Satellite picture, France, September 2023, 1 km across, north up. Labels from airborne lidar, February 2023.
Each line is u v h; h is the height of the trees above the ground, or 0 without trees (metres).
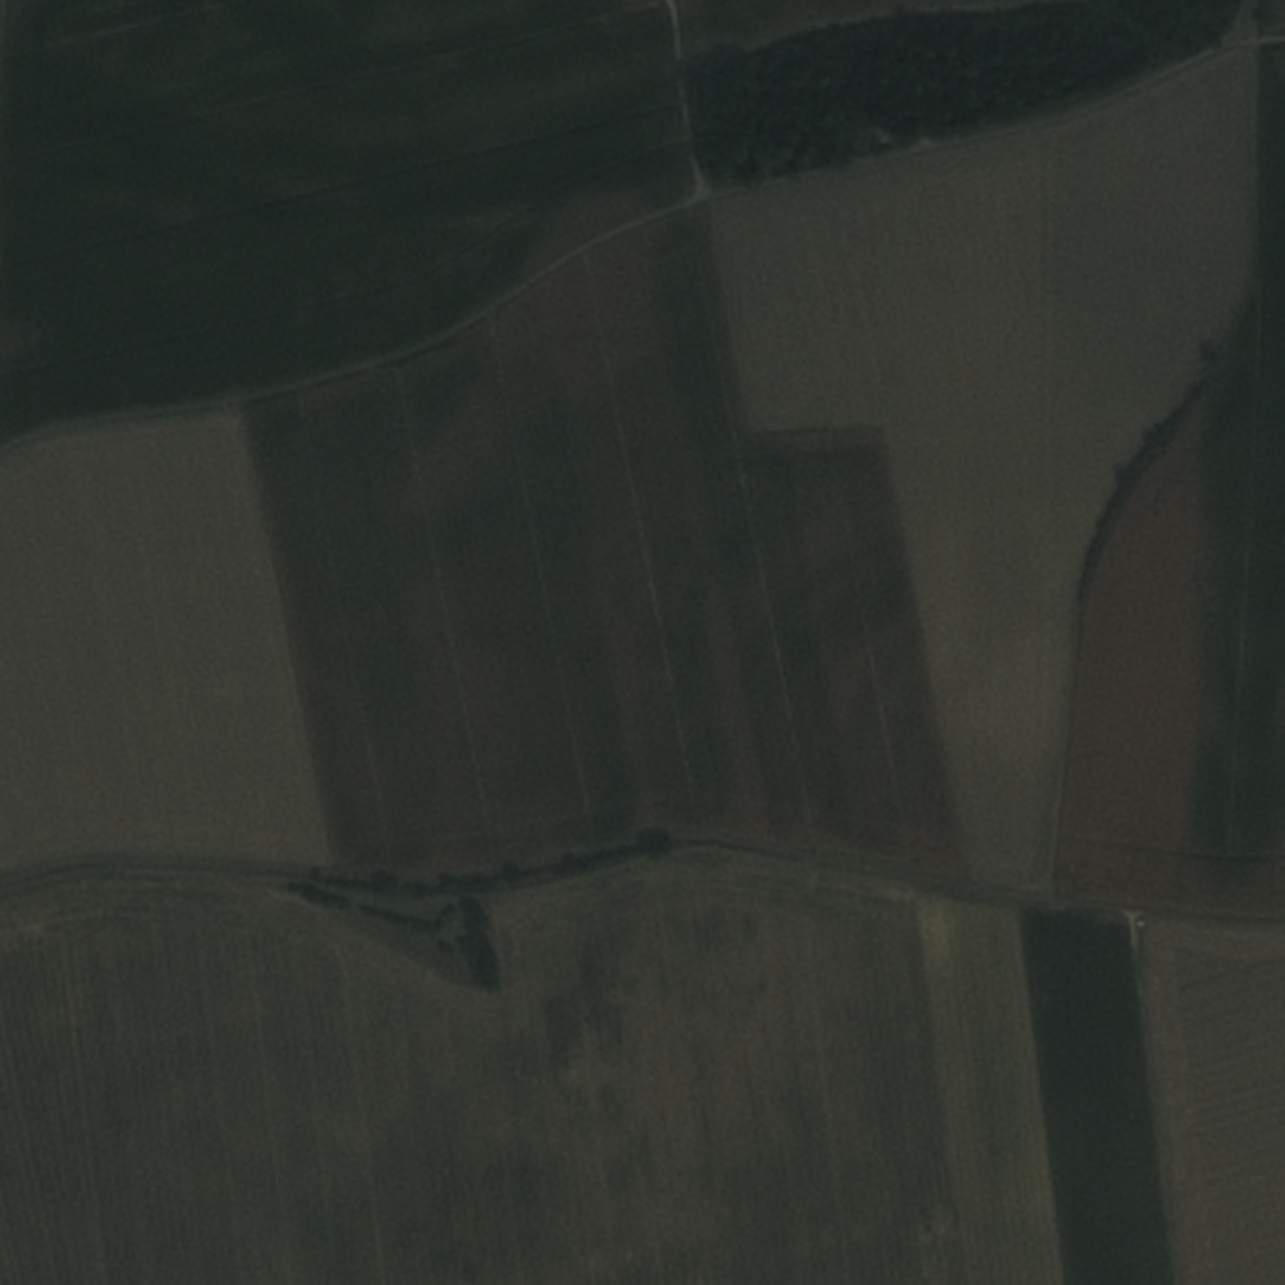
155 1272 0
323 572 0
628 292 0
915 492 0
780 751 0
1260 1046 0
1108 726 0
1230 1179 0
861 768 0
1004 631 0
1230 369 0
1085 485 0
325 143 0
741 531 0
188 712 0
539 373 0
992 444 0
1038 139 0
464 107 0
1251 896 0
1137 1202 0
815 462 0
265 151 0
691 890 0
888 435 0
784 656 0
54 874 0
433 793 0
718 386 0
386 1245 0
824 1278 0
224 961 0
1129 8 8
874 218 0
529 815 0
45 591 0
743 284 0
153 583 0
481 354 0
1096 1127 0
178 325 0
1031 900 0
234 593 0
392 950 0
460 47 0
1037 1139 0
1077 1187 0
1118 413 0
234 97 0
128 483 0
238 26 0
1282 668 0
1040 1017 0
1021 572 0
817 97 12
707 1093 0
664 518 0
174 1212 0
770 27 0
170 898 0
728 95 23
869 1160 0
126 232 0
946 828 0
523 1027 0
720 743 0
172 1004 0
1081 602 0
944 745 0
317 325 0
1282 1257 0
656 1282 0
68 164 0
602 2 0
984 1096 0
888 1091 0
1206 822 0
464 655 0
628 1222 0
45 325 0
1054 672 0
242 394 0
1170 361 0
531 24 0
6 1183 0
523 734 0
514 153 0
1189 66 0
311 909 0
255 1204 0
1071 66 6
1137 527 0
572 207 0
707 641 0
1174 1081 0
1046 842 0
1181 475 0
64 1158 0
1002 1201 0
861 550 0
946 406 0
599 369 0
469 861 0
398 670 0
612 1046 0
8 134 0
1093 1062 0
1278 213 0
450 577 0
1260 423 0
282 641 0
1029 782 0
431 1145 0
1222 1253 0
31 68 0
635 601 0
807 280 0
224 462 0
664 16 0
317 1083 0
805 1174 0
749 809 0
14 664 0
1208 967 0
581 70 0
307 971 0
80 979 0
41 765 0
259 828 0
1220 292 0
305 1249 0
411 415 0
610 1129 0
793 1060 0
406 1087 0
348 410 0
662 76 0
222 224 0
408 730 0
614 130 0
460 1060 0
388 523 0
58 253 0
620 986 0
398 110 0
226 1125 0
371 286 0
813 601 0
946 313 0
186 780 0
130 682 0
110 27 0
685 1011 0
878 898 0
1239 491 0
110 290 0
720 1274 0
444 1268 0
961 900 0
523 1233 0
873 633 0
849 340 0
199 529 0
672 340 0
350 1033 0
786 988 0
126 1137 0
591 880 0
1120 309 0
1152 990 0
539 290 0
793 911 0
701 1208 0
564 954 0
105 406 0
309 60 0
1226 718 0
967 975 0
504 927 0
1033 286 0
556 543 0
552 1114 0
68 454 0
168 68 0
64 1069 0
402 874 0
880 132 0
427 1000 0
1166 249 0
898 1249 0
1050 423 0
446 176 0
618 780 0
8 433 0
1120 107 0
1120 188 0
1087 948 0
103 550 0
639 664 0
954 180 0
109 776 0
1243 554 0
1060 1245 0
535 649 0
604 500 0
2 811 0
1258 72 0
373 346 0
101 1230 0
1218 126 0
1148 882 0
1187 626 0
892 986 0
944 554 0
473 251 0
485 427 0
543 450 0
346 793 0
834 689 0
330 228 0
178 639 0
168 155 0
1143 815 0
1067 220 0
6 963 0
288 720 0
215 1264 0
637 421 0
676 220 0
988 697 0
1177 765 0
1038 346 0
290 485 0
